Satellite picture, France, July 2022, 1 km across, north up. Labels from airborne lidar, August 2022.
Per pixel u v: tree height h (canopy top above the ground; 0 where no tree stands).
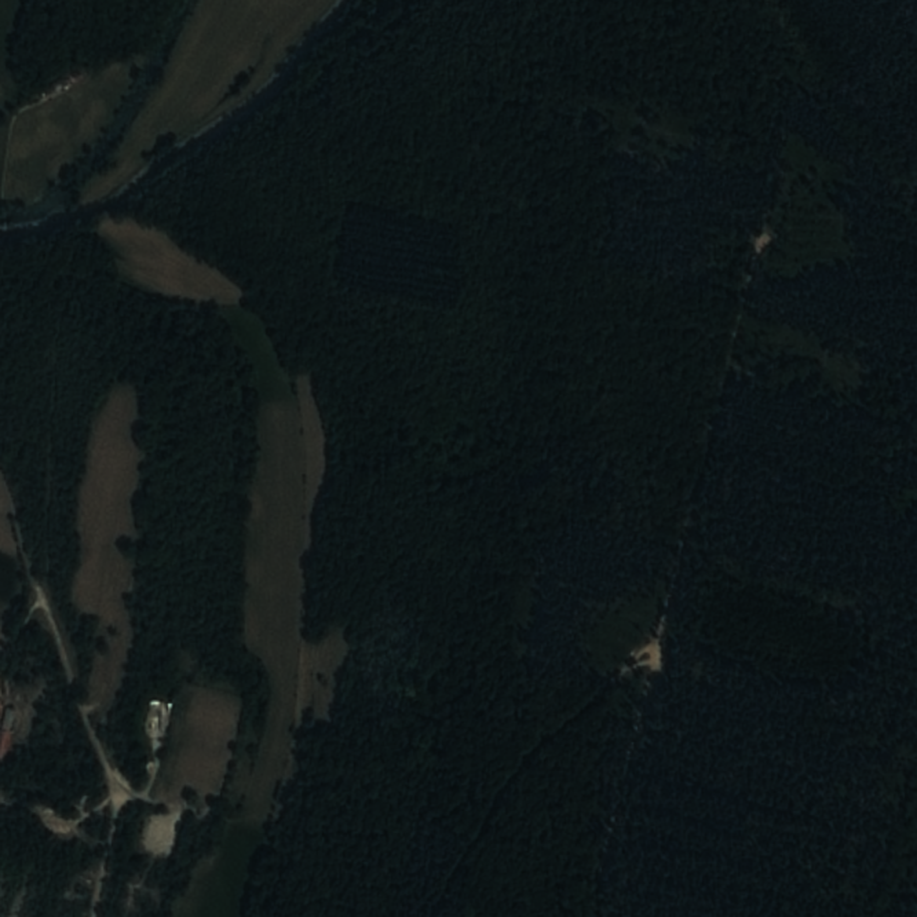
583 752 20
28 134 0
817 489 30
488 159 18
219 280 0
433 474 12
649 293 19
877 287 26
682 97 25
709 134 24
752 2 19
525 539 21
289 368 15
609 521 22
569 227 21
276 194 15
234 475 14
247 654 11
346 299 19
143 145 0
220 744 0
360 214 19
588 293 19
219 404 9
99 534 0
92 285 15
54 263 15
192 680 8
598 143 24
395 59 17
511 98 8
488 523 23
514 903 21
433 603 20
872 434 26
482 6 22
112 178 0
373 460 12
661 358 18
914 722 25
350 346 15
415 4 16
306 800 22
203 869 0
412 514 16
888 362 19
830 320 27
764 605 7
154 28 19
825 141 28
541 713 23
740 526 27
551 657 24
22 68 15
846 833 26
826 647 8
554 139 23
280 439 0
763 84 23
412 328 17
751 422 27
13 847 15
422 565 21
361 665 19
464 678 21
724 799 31
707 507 24
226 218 17
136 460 0
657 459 25
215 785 0
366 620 17
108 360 12
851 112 24
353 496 19
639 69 23
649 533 22
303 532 0
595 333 20
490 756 20
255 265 18
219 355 19
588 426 18
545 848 24
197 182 15
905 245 19
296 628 0
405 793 19
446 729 25
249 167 15
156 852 0
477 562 26
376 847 18
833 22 22
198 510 11
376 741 19
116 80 0
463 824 26
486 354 12
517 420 27
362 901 21
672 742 31
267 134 22
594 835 23
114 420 0
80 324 9
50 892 6
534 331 18
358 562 20
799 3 23
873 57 26
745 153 22
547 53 16
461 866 22
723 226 23
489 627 25
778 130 22
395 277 12
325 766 22
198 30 0
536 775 20
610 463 21
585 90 21
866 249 15
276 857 12
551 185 20
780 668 8
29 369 7
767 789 32
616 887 30
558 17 12
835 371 0
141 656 12
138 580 10
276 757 0
